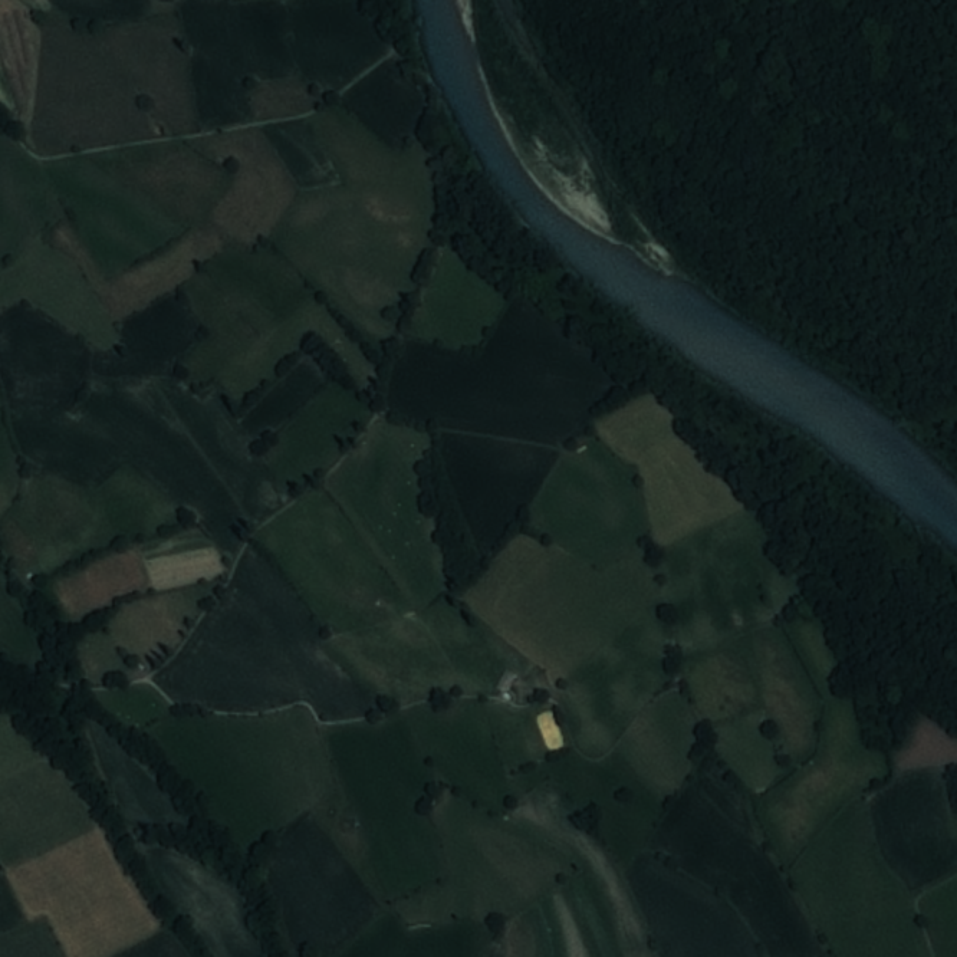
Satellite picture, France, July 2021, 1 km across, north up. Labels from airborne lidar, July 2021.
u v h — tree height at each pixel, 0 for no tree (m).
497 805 0
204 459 0
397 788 0
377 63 0
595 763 0
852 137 15
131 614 0
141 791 0
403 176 0
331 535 0
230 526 0
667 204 21
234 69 0
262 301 0
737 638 0
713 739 16
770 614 0
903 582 24
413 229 0
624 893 0
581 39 15
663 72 23
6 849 0
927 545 12
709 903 0
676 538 0
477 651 0
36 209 0
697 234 17
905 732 17
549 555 0
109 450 0
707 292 8
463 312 0
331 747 0
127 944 0
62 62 0
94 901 0
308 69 0
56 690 22
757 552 0
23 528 0
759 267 10
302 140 0
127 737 18
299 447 0
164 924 7
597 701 0
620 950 0
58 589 0
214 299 0
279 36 0
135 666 17
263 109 0
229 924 0
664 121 18
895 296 19
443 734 0
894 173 15
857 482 11
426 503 14
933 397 23
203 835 18
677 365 10
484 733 0
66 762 15
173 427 0
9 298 0
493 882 0
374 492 0
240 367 0
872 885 0
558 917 0
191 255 0
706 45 13
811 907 0
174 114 0
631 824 0
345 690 0
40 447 0
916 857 0
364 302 0
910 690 24
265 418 0
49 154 0
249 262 0
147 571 0
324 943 0
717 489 0
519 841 0
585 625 0
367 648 0
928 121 15
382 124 0
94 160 0
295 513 0
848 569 24
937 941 0
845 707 0
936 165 16
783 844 0
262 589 0
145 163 0
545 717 0
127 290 0
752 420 8
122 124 0
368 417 0
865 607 24
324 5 0
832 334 21
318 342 29
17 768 0
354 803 0
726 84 18
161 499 0
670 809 10
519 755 0
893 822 0
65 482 0
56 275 0
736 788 7
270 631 0
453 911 0
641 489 8
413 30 22
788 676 0
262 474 0
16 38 0
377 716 17
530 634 0
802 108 11
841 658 9
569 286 23
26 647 0
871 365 20
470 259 31
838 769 0
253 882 22
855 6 20
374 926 0
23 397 0
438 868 0
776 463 32
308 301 0
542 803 0
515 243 37
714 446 38
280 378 11
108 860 0
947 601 20
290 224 0
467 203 33
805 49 26
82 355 0
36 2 0
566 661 0
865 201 19
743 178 19
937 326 19
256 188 0
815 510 19
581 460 0
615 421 0
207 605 15
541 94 8
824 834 0
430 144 18
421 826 0
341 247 0
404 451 0
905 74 18
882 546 12
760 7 21
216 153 0
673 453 0
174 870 0
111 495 0
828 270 9
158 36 0
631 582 0
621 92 16
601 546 0
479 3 6
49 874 0
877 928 0
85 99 0
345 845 0
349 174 0
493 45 6
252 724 0
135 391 0
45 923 0
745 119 20
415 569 0
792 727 0
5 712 7
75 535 0
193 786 17
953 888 0
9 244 0
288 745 0
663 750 0
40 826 0
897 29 21
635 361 21
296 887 0
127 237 0
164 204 0
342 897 0
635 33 16
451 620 0
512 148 0
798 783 0
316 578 0
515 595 0
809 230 24
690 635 0
